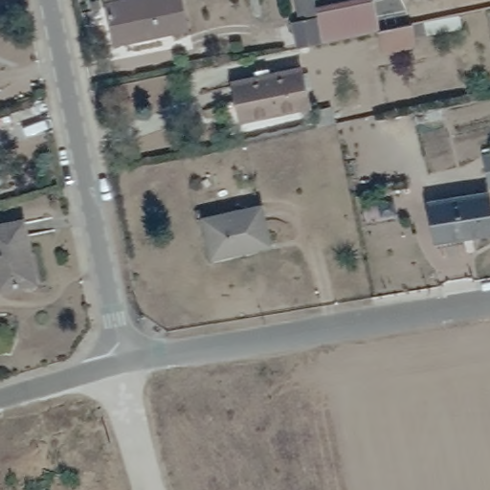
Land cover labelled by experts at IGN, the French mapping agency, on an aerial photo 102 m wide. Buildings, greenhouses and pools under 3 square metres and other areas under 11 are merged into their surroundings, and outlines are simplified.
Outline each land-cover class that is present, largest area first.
<instances>
[{"label":"herbaceous vegetation","instance_id":"1","mask_svg":"<svg viewBox=\"0 0 490 490\"><path fill-rule=\"evenodd\" d=\"M182 36H191L193 48L189 52L191 61L203 59L205 48L209 44H216L218 38H230V42L243 40L245 46L279 42V27H285L289 23V19H285L279 13L278 0H182ZM404 13L412 15V23L425 21L457 15L461 23L469 25V33L461 46L450 48V52L444 54L434 48L433 40L429 42L421 38L417 48L412 52V78H402L413 98L381 103L371 109L375 119H387L392 111L429 105L434 101L450 98H463L465 94V80L459 78V73L469 71L475 65H482L490 73V0H398ZM0 56L21 63L23 67L31 65L36 59L34 48L31 46L19 48L4 36H0ZM172 50L151 56L126 57L119 61H113L111 52L105 57L94 59L92 63L98 69L96 75L130 71L145 65L170 61ZM130 94H134L136 88H144L147 92L149 107L145 109H136L134 101L121 103L126 119L134 124L140 119H149V115L159 113V98L165 90L167 77H161L130 80L122 84ZM331 105L327 109H322L320 122L314 130H304L302 134L270 140L266 144L245 145L226 151H216L203 157L176 159L157 165H142L134 170H124L121 174L122 193L128 230L134 245V258L124 255V247L119 251V260L124 293L130 306V318L136 327L144 323L142 318L153 322V331L157 333L151 341L163 345L197 341L216 335H230L239 331H253L283 323L306 322L333 314L371 310L377 308L371 301L373 297L433 289L450 281L448 276L434 281L431 279L433 266L423 255L415 234L404 228L398 218L394 224H387V220H366V211L362 207V199L358 195H352V191L358 184H366L369 176H360L356 172L360 144L354 134V122L337 121L343 115L339 113V109H335V105H339L341 101L337 98L329 101ZM232 165L239 167L241 172L256 174V193H253L249 186L239 188L235 184ZM251 207H262V224L270 228L268 237L272 243H262V247L258 249L260 253L255 255L237 256L234 260H209L203 249L205 239L201 234V218ZM168 224L172 239L165 247H155L151 237L165 230ZM341 245L352 247L356 255V270H348L337 262L335 251ZM308 249L320 251L327 256V272L333 285L331 301H322L320 297V289L314 283L310 266L302 256ZM140 147L144 149L142 157L151 159L168 155V149L165 147V128L163 124L159 130L149 134L138 132ZM42 144L38 136H23L17 142L15 149L25 157H31L34 149ZM57 182L52 178L50 182L38 188L27 186L17 189L11 174L0 178V193L10 191L13 197H21L46 188H56ZM477 272H473L471 279H484L486 283L490 281V251L475 256ZM0 295L11 301H25L27 287H0ZM77 323L75 329L59 327V314L63 310L56 302L36 312L33 308L0 306V366L17 367V373H27L48 364L69 360L77 352L78 345L86 337V333L90 331V312L86 306H80V302L71 308ZM337 350V345L331 339L327 341V345L268 358L264 362L235 360L216 366L176 367L153 373L144 385L147 425L153 438L155 452L159 454V467L167 490H348L339 452V438L329 408V394L320 390L318 383L304 385L291 377L299 367L318 364V358L323 352ZM63 463L78 469L80 482L77 488L63 486L59 475L54 477L52 490H132L119 440L111 429V423L107 421L105 410L96 400L73 394L40 402L38 396L0 408V490H25L27 477H38L44 469H54Z\"/></svg>","mask_w":490,"mask_h":490},{"label":"impervious surface","instance_id":"2","mask_svg":"<svg viewBox=\"0 0 490 490\"><path fill-rule=\"evenodd\" d=\"M27 8L33 13L34 19V40L31 46L34 48L36 59L31 65L23 67L27 75L34 80H40L46 86V98L40 101L44 105V113H48V121H42L46 124V130L54 134L56 144L61 145L63 149L59 151V165H65L63 174L67 176V182L63 189L69 201V214L71 234L75 243V249L71 253L77 256L82 276L80 285L86 297L80 302V306H86L90 312V331L86 333V337L78 345L77 352L69 360L48 364L27 373H17V367L0 366V408L38 396L92 383L122 371L165 364H176V367L216 366L235 360L264 362L268 358L327 345V341L331 339L490 314V281L486 283L484 279H471L450 281L433 289L373 297L371 301L377 308L371 310L333 314L306 322L283 323L253 331H239L230 335H216L197 341L163 345L151 341L157 333L153 331V322L142 318L144 323L136 327L130 318V306L124 293L119 260V251L124 247L113 197L109 182L103 180L107 170L101 153L105 130L96 119L92 103L94 94L90 80L96 75L98 69L92 63L84 65L78 44L77 25L71 0H27ZM377 2V13L381 19L379 29L389 31L412 23V15L404 13L398 0H373ZM461 23L457 15L425 21V31L434 34L438 31H456ZM279 42L285 44L283 50L299 48L295 44V36L289 31V23L285 27H279ZM174 46H184L189 52L193 48L191 36H182L147 38L111 50V52L113 61H119L126 57L151 56L172 50ZM302 117L301 113H287L270 119L245 122L241 128L245 132L276 126L283 122L299 121Z\"/></svg>","mask_w":490,"mask_h":490},{"label":"pervious surface","instance_id":"3","mask_svg":"<svg viewBox=\"0 0 490 490\"><path fill-rule=\"evenodd\" d=\"M301 63L302 67H306L304 88L310 92V107L322 109H327L331 105L329 101L337 98L335 71L348 69V77L358 88V98L341 101L339 105H335V109H339V113L343 115L337 121L354 122V134L360 144L356 172L360 176H369L406 174L408 188L387 189L389 197L385 201L389 205V211H366V220H387V224H394L398 218V211L406 209L417 228L415 234L423 255L433 266L431 279L434 281L448 276L450 281L471 279L473 272H477L475 256L490 251V241L469 239L465 243L434 245L429 232V218L425 211V201L429 199H444L484 191L486 182L480 178L482 161H475L471 165L452 170H440L433 174L427 172L425 161L419 151L415 128L417 124L442 121V109L413 111L410 115L387 119H375L371 109L381 103L413 98L402 78L394 73L390 59L379 52L377 38H369L364 42H350L345 46L333 48H322L318 44L299 48L283 50L272 54L255 52L232 61L220 67H207L195 71L191 77V98L172 100L165 90L159 98V113L149 115V119H140L134 124L138 132L149 134L159 130L163 124L165 128L172 130V122L178 115H182L184 119H201L203 124H212L214 113L207 103L212 101L216 94H228L230 86L226 78L239 80L253 77L258 69L287 71L295 69ZM34 80L27 75L21 63L0 56V100L23 96L33 88ZM42 121H48V113H44V105L40 101H34L33 107L29 109L15 111L0 119V128L8 130L11 138H15L17 142L23 136H38L46 130V124ZM33 205L25 212H21V209H10L0 212V224L23 220L25 226H31L25 241L33 249H38V245L42 247L44 266L48 272V278L36 279L33 287H27L25 301H11L0 295V306L33 308L36 312L56 302L63 310L71 308L80 302L86 297L80 285L82 276L77 256L71 253L75 249V243L71 234L69 214H63L61 209H54L48 203V199L40 193L31 199ZM302 256L310 266L314 283L320 289V297L322 301H331L333 285L327 272V256L320 251L308 249ZM176 367V364H165L122 371L92 383L38 396L40 402L73 394L96 400L105 410L107 421L111 423V429L119 440L132 490H167L159 467V454L155 452L153 438L147 425L144 385L153 373Z\"/></svg>","mask_w":490,"mask_h":490},{"label":"agricultural land","instance_id":"4","mask_svg":"<svg viewBox=\"0 0 490 490\"><path fill-rule=\"evenodd\" d=\"M442 121L417 124L415 128L419 151L425 161L427 172L433 174L440 170H452L471 165L475 161H482L480 147H490V100L465 101L442 109ZM337 345V350L323 352L318 358V364L299 367L291 377L304 385L318 383L320 390L329 394V408L339 438V452L348 490H490V314L331 339Z\"/></svg>","mask_w":490,"mask_h":490},{"label":"building","instance_id":"5","mask_svg":"<svg viewBox=\"0 0 490 490\"><path fill-rule=\"evenodd\" d=\"M100 10L94 19L105 34L107 48L111 50L147 38L182 36V0H98ZM279 13L285 19H289V31L295 36V44L299 48L318 44L322 48H333L345 46L350 42H364L369 38H377L379 52L390 59L392 54L402 50L412 52L417 48L421 38L429 42L433 40L434 34L425 31V21L412 23L389 31L379 29L381 19L377 13V2L373 0H278ZM306 67H302L301 63L295 69L287 71L258 69L253 77L239 80L226 78L230 86L228 94L232 100L228 105L230 117L235 126L241 128L245 122L270 119L287 113H301L302 117L310 113V92L304 88ZM482 161L480 178L486 182L484 191L444 199H429L425 201V211L429 218V232L434 245L465 243L469 239L490 241V147H480ZM13 197L10 191L0 193V201ZM262 207H251L201 218V234L205 239L203 249L209 260H234L237 256L255 255L260 253L258 249L262 247V243H272L268 237L270 228L262 224ZM31 226H25L23 220L0 224V287H33L36 279L31 260L33 249L25 241Z\"/></svg>","mask_w":490,"mask_h":490},{"label":"deciduous trees","instance_id":"6","mask_svg":"<svg viewBox=\"0 0 490 490\"><path fill-rule=\"evenodd\" d=\"M0 36H4L19 48L31 46L34 40V19L33 13L27 8V0H0ZM78 44L84 65L92 63L94 59L105 57L111 52V50L107 48L105 34L94 19L84 17L77 25ZM469 33V25L461 23L456 31H438L434 34L433 40L434 48L444 54L450 52V48L461 46ZM245 46L243 40L230 42V38H218L216 44H209L205 48L203 59L191 61L189 52L184 46H174L172 50L170 61L174 65L163 67L159 71L161 77H167L165 90L172 100L191 98V77L195 71L207 67H220L232 61L230 52H239ZM394 73L402 78H412V52L402 50L392 54L390 59ZM459 78L465 80V101L490 100V73L482 65H475L469 71L459 73ZM134 101L136 109H145L149 107L147 92L144 88H136L134 94H130L122 84L109 90L103 96V100L94 94L92 103L96 119L105 130L101 153L107 170L103 180L109 182L113 197L122 193L121 174L124 170H134L142 165H157L176 159L203 157L216 151H226L245 145V132L241 128L235 126L230 117L228 105L232 100L228 94H216L212 101L207 103L214 113L212 124H203L201 119H184L182 115H178L172 122V130L165 128V147L168 149V155L151 159L142 157L144 149L140 147L138 132L134 124L126 119L121 103ZM17 142L15 138H11L8 130L0 128V178L11 174L17 189L27 186L38 188L50 182L52 178L40 176L34 168L38 163V157L48 153L50 149L48 145L42 144L34 149L31 157H25L15 149ZM408 188L406 174L369 176L366 184H358L352 191V195H358L362 199V207L366 211H389V205L385 201L389 197L387 189ZM398 218L404 228L415 234L417 228L406 209L398 211ZM155 247H165L172 239L168 224L165 230L151 237ZM337 262L348 270H356V255L352 247L341 245L335 251ZM77 323L71 308L63 310L59 314V327L75 329ZM59 475L63 486L77 488L80 482L78 469L63 463L54 469H44L38 477H27L25 490H52L54 477Z\"/></svg>","mask_w":490,"mask_h":490},{"label":"brushwood","instance_id":"7","mask_svg":"<svg viewBox=\"0 0 490 490\"><path fill-rule=\"evenodd\" d=\"M77 25L84 17L94 19L100 10L98 0H71ZM285 44L279 42L245 46L239 52H230L232 61L255 52L272 54L283 50ZM174 65L170 61L145 65L130 71L96 75L90 80L94 94L103 100V96L109 90L122 84L130 80L161 77L159 71L163 67ZM337 98L341 101L358 98V88L348 77V69L335 71ZM46 98V86L40 80H34L33 88L23 96L0 100V119L15 111L29 109L33 107L34 101H40ZM465 94L463 98H450L434 101L429 105L392 111L387 119L410 115L413 111L442 109L465 101ZM322 109L310 107V113L302 117L299 121L283 122L276 126L245 132V145L266 144L270 140L302 134L304 130H314L320 122ZM42 144L48 145L50 149L48 153L38 157V163L34 168L40 176L52 178L57 182L56 188H46L21 197H13L0 201V212L10 209H21V212H25L33 205L31 199L40 193L48 199V203L54 209H61L63 214H69V201L63 189L67 182V176L63 174L65 165H59V151L63 149L61 145L56 144L54 134L46 130L38 136ZM235 184L239 188L249 186L253 193H256V174L241 172L239 167L232 165ZM124 247V255L134 258V245L128 230L122 193L113 197ZM31 260L36 279L48 278V272L44 266L42 247L38 245V249H33Z\"/></svg>","mask_w":490,"mask_h":490}]
</instances>
